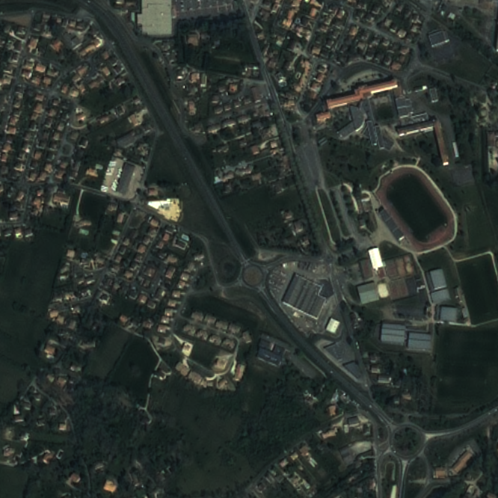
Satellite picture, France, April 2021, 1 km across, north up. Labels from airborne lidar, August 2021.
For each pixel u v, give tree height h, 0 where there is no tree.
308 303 0
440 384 0
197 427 0
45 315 6
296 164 16
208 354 0
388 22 0
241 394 8
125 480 16
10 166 8
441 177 0
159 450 10
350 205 9
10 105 0
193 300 0
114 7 6
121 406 11
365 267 0
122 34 0
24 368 6
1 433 13
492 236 0
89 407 21
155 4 0
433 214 0
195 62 6
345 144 11
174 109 0
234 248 0
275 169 5
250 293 0
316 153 0
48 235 0
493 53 12
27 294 0
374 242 0
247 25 19
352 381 0
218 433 0
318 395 9
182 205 0
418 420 8
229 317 0
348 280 0
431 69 0
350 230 0
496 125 11
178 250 0
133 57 0
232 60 0
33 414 12
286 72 9
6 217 0
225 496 12
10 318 0
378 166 0
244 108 0
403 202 0
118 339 0
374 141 0
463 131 15
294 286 0
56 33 23
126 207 13
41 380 21
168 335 0
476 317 0
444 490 0
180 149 0
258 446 10
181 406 0
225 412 9
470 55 0
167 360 14
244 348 0
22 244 0
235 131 0
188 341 0
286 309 0
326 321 0
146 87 0
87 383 13
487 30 0
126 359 0
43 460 12
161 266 6
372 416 0
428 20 0
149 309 7
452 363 0
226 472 0
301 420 7
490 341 0
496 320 0
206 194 0
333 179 0
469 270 0
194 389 14
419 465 7
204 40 6
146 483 6
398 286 0
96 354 12
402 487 0
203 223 0
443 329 0
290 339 0
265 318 0
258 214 0
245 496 19
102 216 6
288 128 0
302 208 10
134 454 12
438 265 0
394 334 0
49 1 0
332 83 0
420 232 0
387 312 0
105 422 11
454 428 0
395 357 0
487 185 0
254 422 6
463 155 9
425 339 0
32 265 0
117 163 0
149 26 0
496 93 13
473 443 0
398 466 0
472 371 0
